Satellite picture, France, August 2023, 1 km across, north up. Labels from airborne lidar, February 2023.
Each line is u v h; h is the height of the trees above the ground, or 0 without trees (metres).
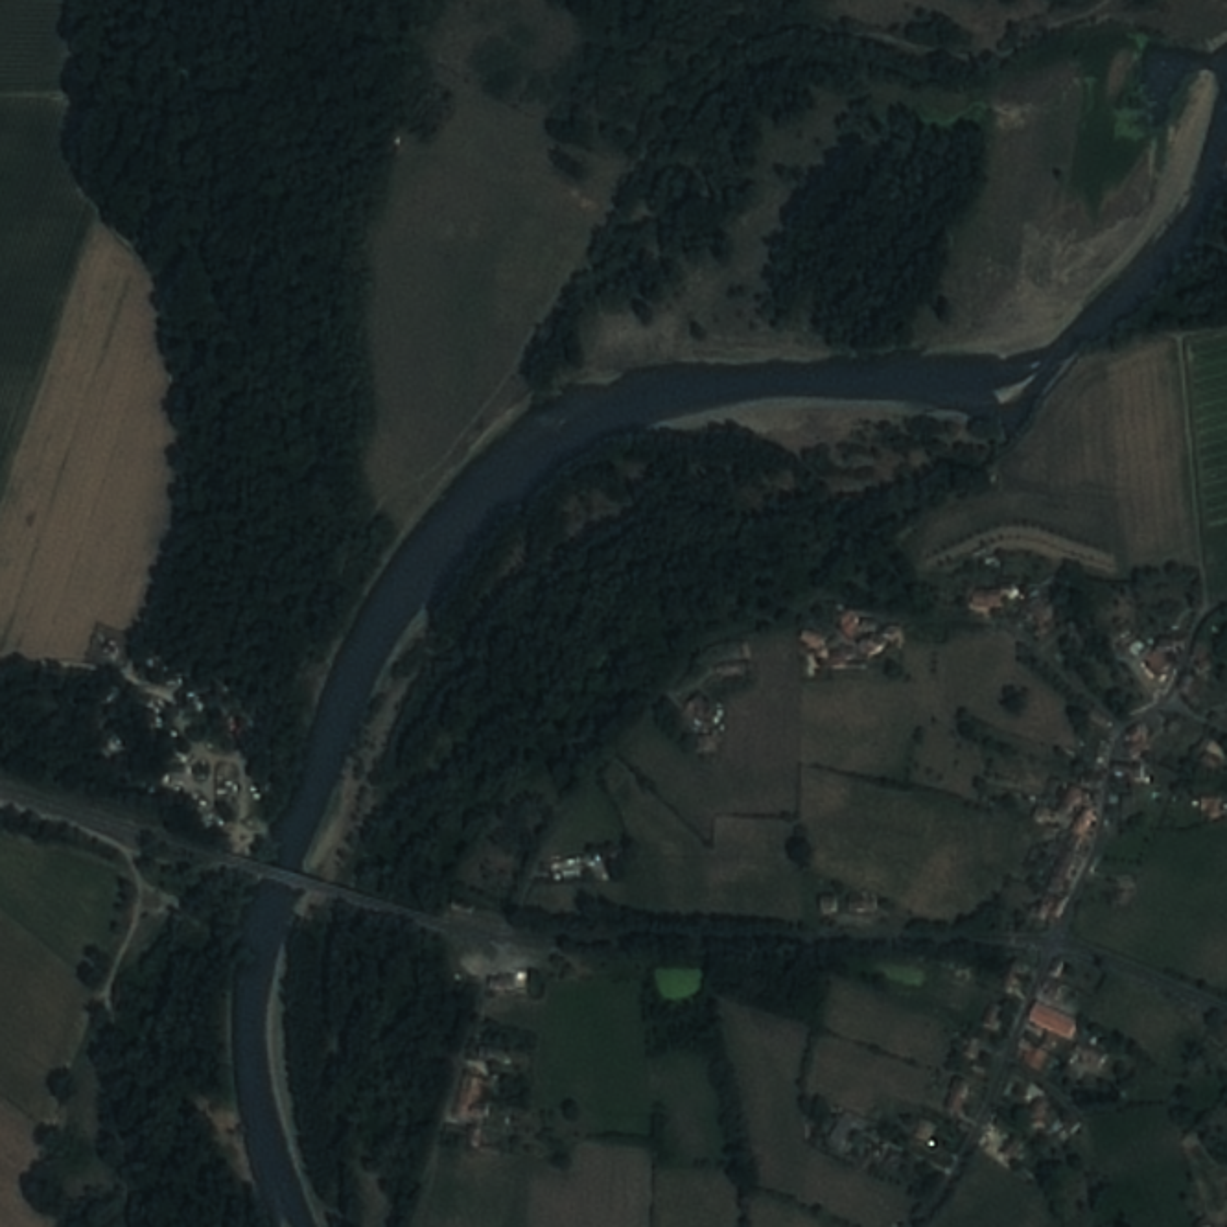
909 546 0
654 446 22
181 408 21
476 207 0
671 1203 0
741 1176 19
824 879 0
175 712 13
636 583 24
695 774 0
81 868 0
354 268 7
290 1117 0
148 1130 23
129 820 0
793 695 0
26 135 0
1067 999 0
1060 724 0
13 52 0
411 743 20
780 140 0
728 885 0
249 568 15
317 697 0
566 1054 0
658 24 11
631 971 0
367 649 0
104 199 26
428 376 0
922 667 0
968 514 0
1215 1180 0
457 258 0
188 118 24
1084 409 0
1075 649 12
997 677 0
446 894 19
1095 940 0
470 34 0
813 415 0
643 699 16
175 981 14
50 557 0
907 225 18
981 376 0
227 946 24
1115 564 0
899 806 0
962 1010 0
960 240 0
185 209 28
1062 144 0
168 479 0
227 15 36
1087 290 0
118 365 0
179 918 19
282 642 24
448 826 23
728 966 23
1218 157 0
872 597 8
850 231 28
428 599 0
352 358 12
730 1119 7
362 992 22
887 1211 0
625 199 13
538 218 0
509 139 0
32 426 0
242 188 20
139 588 0
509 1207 0
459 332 0
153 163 21
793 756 0
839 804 0
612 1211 0
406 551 0
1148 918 0
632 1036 0
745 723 0
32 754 14
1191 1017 0
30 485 0
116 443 0
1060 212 0
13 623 0
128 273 0
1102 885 0
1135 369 0
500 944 0
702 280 0
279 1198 0
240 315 34
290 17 38
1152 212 0
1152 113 0
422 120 7
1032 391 0
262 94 31
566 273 0
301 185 17
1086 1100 13
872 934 0
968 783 0
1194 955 0
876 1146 7
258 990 0
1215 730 7
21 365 0
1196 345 0
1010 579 0
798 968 25
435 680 8
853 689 0
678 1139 0
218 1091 24
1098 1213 10
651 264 25
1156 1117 0
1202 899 0
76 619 0
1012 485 0
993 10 0
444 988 17
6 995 0
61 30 0
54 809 0
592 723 16
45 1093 0
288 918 0
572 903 0
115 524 0
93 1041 0
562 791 6
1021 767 0
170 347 19
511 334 0
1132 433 0
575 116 12
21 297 0
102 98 31
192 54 22
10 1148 0
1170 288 21
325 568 22
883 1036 0
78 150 22
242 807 0
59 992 0
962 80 23
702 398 0
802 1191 0
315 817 0
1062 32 8
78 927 0
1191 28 0
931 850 0
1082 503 0
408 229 0
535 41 0
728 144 11
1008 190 0
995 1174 0
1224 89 0
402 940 26
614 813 0
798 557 7
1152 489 0
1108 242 0
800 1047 0
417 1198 10
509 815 17
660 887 0
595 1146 0
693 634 9
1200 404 0
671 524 19
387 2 17
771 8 7
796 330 0
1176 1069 0
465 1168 0
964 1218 0
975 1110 10
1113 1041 7
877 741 0
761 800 0
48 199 0
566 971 9
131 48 15
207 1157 13
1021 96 0
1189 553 0
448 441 0
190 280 37
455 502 0
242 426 26
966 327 0
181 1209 22
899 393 0
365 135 26
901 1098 0
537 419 0
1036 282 0
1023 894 0
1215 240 14
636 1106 0
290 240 11
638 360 0
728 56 11
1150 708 0
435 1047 23
